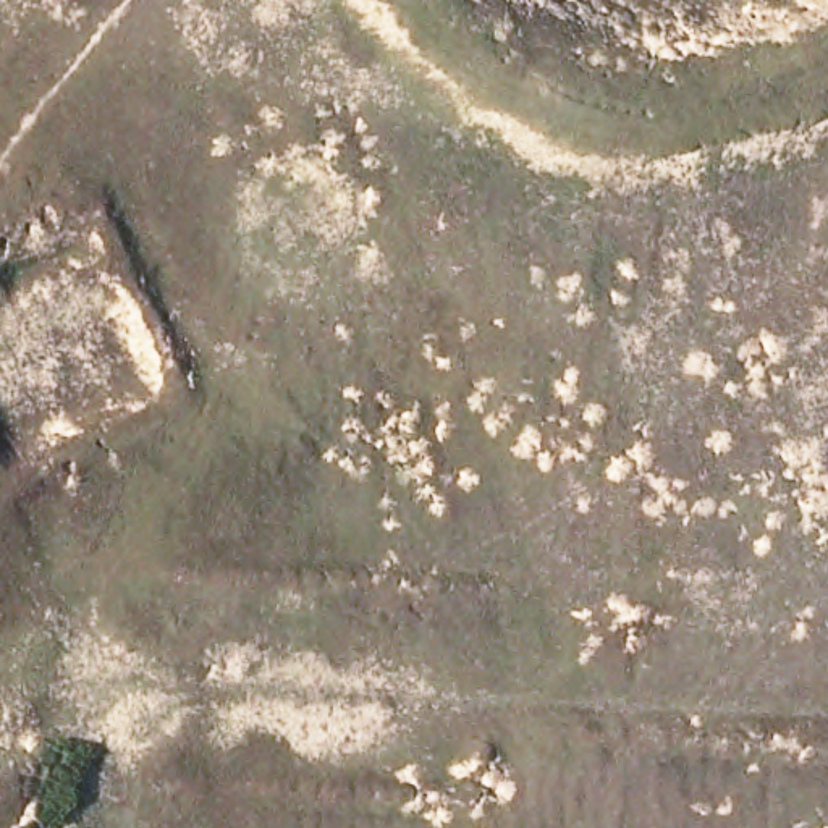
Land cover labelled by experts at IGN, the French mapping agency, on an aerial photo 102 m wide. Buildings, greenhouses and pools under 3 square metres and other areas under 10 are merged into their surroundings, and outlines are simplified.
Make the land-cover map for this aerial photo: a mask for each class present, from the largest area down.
<instances>
[{"label":"herbaceous vegetation","instance_id":"1","mask_svg":"<svg viewBox=\"0 0 828 828\"><path fill-rule=\"evenodd\" d=\"M120 0H81L84 16L78 23L65 26L52 19L45 10H29V16L19 19V36L6 29L0 10V149L19 126V120L32 110L36 97L52 87V81L74 58V52L91 39L94 26ZM184 0H136L129 13L120 19V26L104 36V42L71 78V84L52 100L45 116L29 129V136L10 158V171L0 175V230L6 223H16L19 217L36 223V213L49 204H55L61 213L58 223H39L45 233V249L29 252L26 259L6 262V236H0V307L10 304L19 288L42 278L52 281L58 275H71L81 288L87 281H97V275L110 272V259L107 246L91 249L87 239L91 233L104 236L110 230L126 252L129 275L123 278V285L139 301L149 333L162 330V336L171 346L175 365L194 375V388L178 391L168 378H162V391H152L139 378L126 343L116 340V320H110L100 333V346H94L87 359L78 362L71 356H61L52 388L23 385L19 398L3 408L13 433V459L0 463V828H26L19 818L10 822L3 815V799L16 789V776H32L36 750L19 747V737L29 734L26 705L36 695L58 699L61 692H71L74 676L65 670L61 657L71 653L74 640L87 631V598H97L100 618L113 627V637L126 644L133 653L152 657L155 670H171L175 676H207L210 666L204 663V653L226 644H249L256 650H268L275 660H291L294 653L311 650L323 657L333 670H349L362 657L395 660L401 666H411L414 673L430 670L427 682L437 689H456L463 699V712H450V702L440 708H430L424 702L420 725L411 731L414 760L420 754H433V763H427L417 776L433 792H440L453 779L450 767L463 760H482L492 741L501 744L495 773L514 786V796L508 802L485 805L482 818H450L446 825H430L427 818L404 812V802L414 799L411 783H401L388 773H375L359 754L304 757L291 750L288 737L268 731H246L243 741L233 747L207 744L204 750H184L171 737L168 744L146 750L126 770H120L116 760L107 754L97 802L74 825L65 828H828V543H818L809 530H802V511L796 518H783L779 527H767L763 498L741 495L731 475L773 472V492H796L805 485L802 479H786V463L779 456L783 443H792L802 433L796 411L802 408V401L789 388H776L773 375H789V369H799L805 375H825L818 365L828 359V340L822 336V343L812 353H802V340L812 330V314L818 307L828 311V139H818L812 155L783 149V165L776 168L757 162L754 168H747L744 155H712L705 162V171L699 175V184L692 188H679L673 178H663L653 188H634L621 194L605 178L589 181L582 175L534 171L527 158H521L501 139L498 129L463 123L443 87L417 78L401 91V107H378L365 100L359 110L336 113L333 97H327V116L307 113L301 123H288L281 116L275 129H268L252 100L239 94L233 71L210 78L197 68L191 49L181 42V29L168 19V10L181 6ZM327 133L343 136L336 149V171L362 191L378 194L369 223L362 230H349L336 243H327L323 236L301 230V217L307 213L304 201L314 191L311 181L285 188L288 175H268L259 168L262 158L285 155L291 146L323 142ZM249 181L265 188L262 201L268 220L256 230H239V191ZM365 246H375L385 265L391 268V278L385 285L359 278V256ZM760 333L779 336L786 353L779 362L763 369V398H754L750 378L737 356L741 346L757 340ZM404 411L417 414L414 430L427 443L433 463L430 485L443 498V514H430L424 498H417L414 482L398 479L395 463H388L385 450L343 437V420L356 417L362 427H382L385 417ZM55 417H68L74 424V437H61L55 446L42 450L36 437L42 433V424ZM527 427H534L537 437H556L566 446H576L582 437H592V450L579 463L566 459L563 466H550L543 472L537 463L514 456V443ZM634 443L650 446L653 475L686 479L682 501H734V511L728 518L699 514L692 524H679V514L670 508L657 518H647L644 501H650L657 492L637 479V469H627L624 479H608V463L627 453ZM327 446L343 453L346 459L369 456V475L349 479L340 466L323 463ZM666 569H708L712 592L721 598V605L695 608L686 598L682 582L666 579ZM611 595H621L627 605L640 608L637 650H627L624 627H615V634L598 644L595 657L589 663H579L585 627L572 615L579 608H589L592 602H608ZM398 26L408 29L411 42L420 52L433 55L437 65L450 71L459 84H466L469 97L482 110L508 113L527 123L534 133L547 136L553 146L576 155H644L660 162L670 155L699 152L705 146L744 142L760 133L802 129L828 120V23L818 29L796 32L792 42H741L725 45L712 58L686 55L682 61H670L657 58L647 45H621L611 26H585L579 16L556 19L540 6L511 0H385Z\"/></svg>","mask_w":828,"mask_h":828},{"label":"bare soil","instance_id":"2","mask_svg":"<svg viewBox=\"0 0 828 828\"><path fill-rule=\"evenodd\" d=\"M0 10L6 29L19 36V19L29 16V10H45L52 19L65 26L78 23L84 16L81 0H0ZM168 19L181 29V42L191 49L197 68L210 78L233 71L239 94L252 100L268 129H275L281 116L288 123H301L307 113L327 116V97H333L336 113L359 110L365 100L378 107H401V91L417 78L404 55L398 49H388L378 39V32L365 29L359 10L346 6L343 0H184L181 6L168 10ZM725 3H763L802 16L805 6H799V0H627L624 6L634 10L637 19L647 13L673 16V6H682L686 19L692 26H702L705 32H721L718 10ZM343 136L327 133L323 142L291 146L285 155L262 158L259 168L268 175H288L285 188L311 181L314 191L304 201L307 213L301 217V230L323 236L327 243H336L349 230H362L369 223L378 194L362 191L336 171V149ZM265 188L249 181L239 191V230H256L268 220L262 201ZM58 223L61 213L55 204H49L36 213V223L19 217L16 223H6L0 230V236H6V262L26 259L29 252L45 249V233L39 223ZM91 249L107 246L110 259V272L97 275V281H87L81 288L71 275H58L52 281L42 278L19 288L10 304L0 307V463L13 459V433L3 408L19 398L23 385L52 388L61 356H71L78 362L87 359L94 346H100V333L110 320H116V340L126 343L139 378L152 391H162V378H168L178 391L194 388V375L175 365L171 346L162 336V330L149 333L139 301L123 285V278L129 275L126 252L110 230L104 236L91 233L87 239ZM359 278L385 285L391 278V268L385 265L375 246H365L359 256ZM822 336L828 340V311L818 307L812 314V330L802 340V353H812L822 343ZM786 353L779 336L760 333L757 340L741 346L737 356L750 378L754 398H763V369L779 362ZM825 375H805L799 369H789V375H773L776 388H789L802 401V408L796 411L802 433L792 443H783L779 456L786 463V479H802L805 485L796 492H773V472L731 475L741 495L763 498L767 527H779L783 518H796L802 511V530H809L818 543H828V359L818 365ZM417 414L404 411L385 417L382 427H362L356 417L343 420V437L385 450L388 463H395L398 479L414 482L417 498H424L430 514H443V498L430 485L433 463L427 443L414 430ZM61 437H74V424L68 417H55L42 424V433L36 437L42 450L55 446ZM592 450V437H582L576 446H566L556 437H537L534 427H527L514 443V456L537 463L543 472L550 466H563L566 459L579 463ZM627 469H637V479L657 492L650 501H644L647 518H657L670 508L679 514V524H692L699 514L728 518L734 511V501H682L686 479L653 475L650 446L634 443L627 453L608 463V479H624ZM323 463L340 466L349 479L369 475V456L346 459L343 453L327 446ZM666 579L682 582L686 598L695 608L721 605V598L712 592L708 569H666ZM585 627L579 663H589L595 657L598 644L615 634V627H624L627 650H637L640 608L627 605L621 595H611L608 602H592L589 608H579L572 615ZM65 670L74 676L71 692H61L58 699L36 695L26 705L29 734L19 737V747L36 750L55 737H84L107 744V754L116 760L120 770H126L146 750L168 744L171 737L184 750H204L207 744L233 747L243 741L246 731H268L288 737L291 750L304 757L359 754L375 773H388L401 783H411L414 799L404 802V812L427 818L430 825H446L450 818H482L485 805L508 802L514 796V786L495 773L501 744L492 741L482 760H463L450 767L453 779L440 792H433L417 776L427 763H433V754H420L414 760L411 731L420 725L424 702L430 708H440L450 702V712H463V699L456 689H437L427 682L430 670L414 673L411 666H401L395 660L362 657L349 670H333L323 657L311 650L294 653L291 660H275L268 650H256L249 644H226L204 653V663L210 666L207 676H175L171 670H155L152 657L133 653L126 644L113 637V627L100 618L97 598H87V631L74 640L71 653L61 657Z\"/></svg>","mask_w":828,"mask_h":828},{"label":"pervious surface","instance_id":"3","mask_svg":"<svg viewBox=\"0 0 828 828\"><path fill-rule=\"evenodd\" d=\"M136 0H120L94 26L91 39L74 52V58L52 81V87L36 97L32 110L19 120V126L0 149V175L10 171V158L29 136V129L45 116L52 100L71 84V78L104 42V36L120 26V19L129 13ZM346 6L359 10L365 29L378 32V39L388 49H398L404 55L417 78L443 87L463 123L498 129L501 139L521 158H527L534 171L582 175L589 181L605 178L621 194L634 188H653L663 178H673L679 188H692L699 184V175L705 171V162L712 155H744L747 168H754L757 162L776 168L783 165V149L812 155L818 139H828V120L802 129L760 133L744 142L705 146L699 152L670 155L660 162L644 155H576L553 146L547 136L534 133L527 123L508 113L482 110L469 97L466 84H459L450 71L437 65L433 55L420 52L411 42L408 29L398 26L385 0H343ZM540 6L556 19L579 16L585 26H611L621 45H647L657 58L670 61H682L686 55L712 58L725 45L741 42H792L796 32L818 29L828 23V0H799V6H805L802 16L763 3H725L718 10L721 32H705L702 26H692L686 19L682 6H673V16L647 13L637 19L634 10L624 6L627 0H511Z\"/></svg>","mask_w":828,"mask_h":828},{"label":"brushwood","instance_id":"4","mask_svg":"<svg viewBox=\"0 0 828 828\"><path fill-rule=\"evenodd\" d=\"M107 754V744L84 737H55L36 750L32 776H16V789L3 799V815L10 822L19 818L26 828H65L74 825L97 802Z\"/></svg>","mask_w":828,"mask_h":828}]
</instances>
